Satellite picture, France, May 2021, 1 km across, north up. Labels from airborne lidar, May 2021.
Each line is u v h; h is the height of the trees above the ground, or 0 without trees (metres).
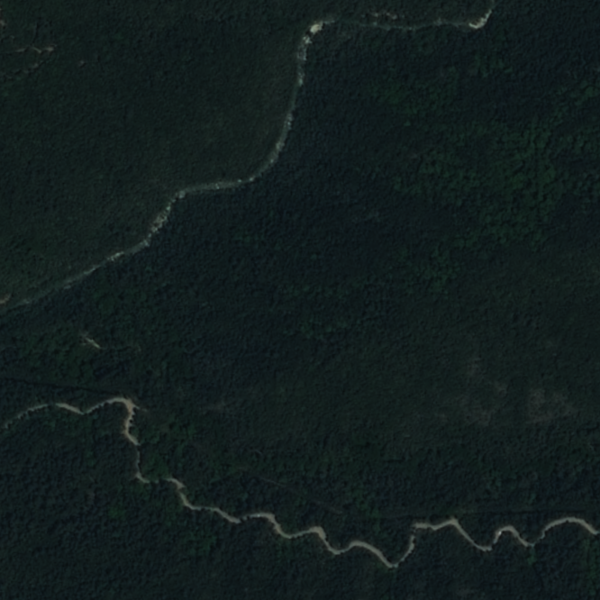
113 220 15
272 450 18
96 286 16
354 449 19
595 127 12
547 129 16
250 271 9
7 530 27
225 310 15
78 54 10
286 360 13
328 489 12
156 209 11
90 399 18
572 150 16
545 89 15
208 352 17
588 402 11
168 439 16
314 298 12
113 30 21
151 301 7
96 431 16
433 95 20
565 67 15
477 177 14
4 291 10
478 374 7
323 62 15
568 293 16
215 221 11
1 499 28
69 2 15
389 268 12
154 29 19
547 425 11
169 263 15
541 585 10
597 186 17
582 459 11
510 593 10
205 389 7
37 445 18
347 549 11
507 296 15
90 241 10
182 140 13
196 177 14
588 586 13
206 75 11
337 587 13
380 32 16
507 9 11
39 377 11
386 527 12
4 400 22
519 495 9
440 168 17
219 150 10
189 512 17
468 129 13
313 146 9
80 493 24
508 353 10
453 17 12
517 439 8
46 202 17
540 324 22
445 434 14
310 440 11
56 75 10
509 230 18
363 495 11
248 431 7
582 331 16
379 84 14
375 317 9
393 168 12
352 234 11
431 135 16
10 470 29
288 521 11
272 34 23
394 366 13
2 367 14
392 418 14
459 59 17
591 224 11
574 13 14
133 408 0
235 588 13
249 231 15
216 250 12
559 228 14
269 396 9
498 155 18
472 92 12
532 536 19
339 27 12
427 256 13
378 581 12
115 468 19
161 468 21
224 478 6
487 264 14
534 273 14
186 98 11
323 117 13
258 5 15
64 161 10
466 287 8
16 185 16
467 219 17
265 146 10
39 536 11
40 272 9
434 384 11
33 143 14
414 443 12
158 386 23
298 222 12
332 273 11
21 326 14
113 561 12
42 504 10
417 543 10
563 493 18
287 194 16
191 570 8
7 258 17
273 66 11
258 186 14
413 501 8
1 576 16
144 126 11
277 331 11
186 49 22
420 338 10
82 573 18
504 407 10
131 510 14
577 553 22
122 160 14
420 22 9
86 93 13
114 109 11
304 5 16
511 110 16
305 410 10
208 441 12
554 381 10
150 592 22
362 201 10
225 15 22
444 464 10
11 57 15
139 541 19
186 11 16
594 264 9
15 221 15
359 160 14
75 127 11
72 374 15
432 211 12
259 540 18
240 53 12
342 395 15
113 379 16
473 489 15
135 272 20
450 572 18
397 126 14
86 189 9
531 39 7
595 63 19
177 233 19
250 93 11
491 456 7
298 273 11
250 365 8
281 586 12
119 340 11
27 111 14
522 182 17
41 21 20
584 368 12
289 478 12
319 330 14
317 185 13
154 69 15
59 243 11
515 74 15
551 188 22
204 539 15
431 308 9
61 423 16
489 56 16
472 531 13
